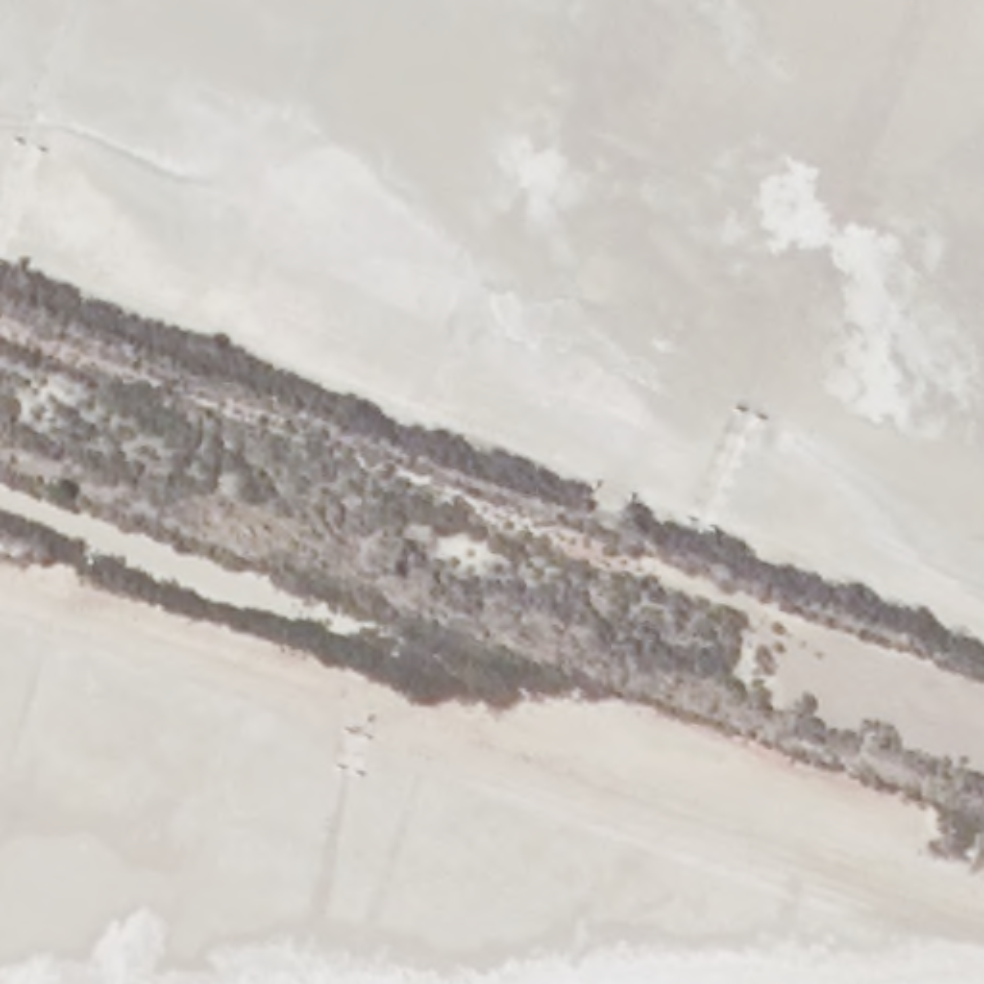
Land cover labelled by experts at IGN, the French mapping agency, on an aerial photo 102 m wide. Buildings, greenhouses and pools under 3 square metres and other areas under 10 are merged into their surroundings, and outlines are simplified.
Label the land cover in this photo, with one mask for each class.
<instances>
[{"label":"pervious surface","instance_id":"1","mask_svg":"<svg viewBox=\"0 0 984 984\"><path fill-rule=\"evenodd\" d=\"M0 261H31V269L81 288V296L108 300L142 319H158L200 334H227L234 346L250 350L261 361H273L277 369L300 373L331 392H350L377 404L396 423L454 431L480 450H507L530 457L534 465H546L557 477L592 484L596 504L607 527L627 511L630 504H646L657 519L696 530H726L742 538L761 561L796 565L834 584H865L888 603L926 607L942 627L984 642V0H0ZM0 511L46 523L58 534L81 538L88 554L123 557L131 569H142L154 580L192 588L204 600L258 607L284 619H315L334 634L373 630V619L342 615L319 600L281 592L261 573H231L208 557L177 554L165 542L123 530L104 519L65 511L50 500H35L27 492L0 484ZM438 500L465 504L473 515L488 527H500L504 534L550 538L554 550L588 561L600 573L657 577L665 588H677L684 596L719 607H738L750 619L738 657V677L746 680H753L761 646H784V657H776V669L765 684L773 707H796L803 696H815L819 719L826 726L853 730L857 723H865L884 719L896 726L903 746L984 773V684L938 669L926 657L861 642L853 634L807 623L800 615L742 592H723L707 577L680 573L669 561L661 557L607 554L596 538H584L569 527H546L530 515H519L515 507H496L454 484H446ZM454 557L465 573L477 577L488 573L492 580H523L527 588L550 584L557 569L546 557L511 561L504 554H492L484 542L457 534L442 538L434 554ZM938 838L934 811L873 792L857 780L796 765L753 742L723 738L703 726L665 719L638 703H592L573 692L550 700H519L507 711L457 700L427 707L411 703L388 684L369 680L365 673L334 669L292 646H277L219 623L185 619L131 596L104 592L81 580L69 565H0V984H527V961L565 957L569 965H580L592 953L611 949L619 942L650 946L661 953H773L780 942H796L803 946L807 965H838L834 984H984V873L953 857L930 853V842Z\"/></svg>","mask_w":984,"mask_h":984},{"label":"brushwood","instance_id":"2","mask_svg":"<svg viewBox=\"0 0 984 984\"><path fill-rule=\"evenodd\" d=\"M0 300H12L15 308H42L58 323H77L81 331L104 342L135 346V369H142L154 357H169L177 369H188L211 384H234L250 400L277 396L284 407L334 419L350 434L384 438L407 450L411 465L423 454L446 469L473 473L480 480L515 488L523 496H538L546 504L588 511L596 504L592 484L557 477L546 465H534L530 457L507 450H480L454 431L396 423L377 404L350 392H331L300 373L277 369L273 361H261L250 350L234 346L227 334H200L158 319H142L108 300L81 296V288L31 269V261H0ZM0 354L38 373L81 384L88 407H115L119 415L138 419L146 434L165 438L173 469L165 484L181 488L185 496H211L223 473L238 477V492L246 504H265L277 492V484L246 461L242 450H223V434H211V461L204 469V480H192L188 465L196 461L200 427L188 423V415L177 407H161L150 384H127L85 365L58 361L42 350H31L0 334ZM19 392H27V384L12 373H0V438L46 461H81L96 473L100 484L138 488L142 465L127 461L123 454H96V423H85L73 404L62 400L54 404V411L65 427H27L19 419ZM634 519V530L646 534L661 557L669 561L692 554L707 565H723L730 577L746 584L742 592L800 615L803 603L838 607L861 623H880L911 634L926 650V657L938 669L984 684V642L942 627L926 607L888 603L865 584H834L796 565L761 561L742 538L726 530H696L657 519L646 504H630L627 511ZM123 530L165 542L177 554L208 557L231 573H261L281 592L319 600L342 615L373 619V630L334 634L315 619H284L258 607L204 600L192 588L154 580L142 569H131L123 557L88 554L81 538L58 534L46 523L0 511V538L38 546L50 565H69L81 580L104 592L131 596L185 619L219 623L277 646H292L334 669L365 673L369 680L388 684L411 703L427 707L457 700L507 711L519 700H550L573 692L584 673L561 669L554 661L519 657L504 646H473L465 634L450 627L423 623L411 611L392 607L377 588H342L334 577L319 569H300L284 554L242 557L227 546L188 538L146 515H131ZM457 534L484 542L492 554H504L511 561L546 557L557 569L550 584L527 588L523 580H492L488 573L477 577L465 573L454 557L434 554L407 538L400 546V561H407V573L431 577V596L446 600L457 611H484V596H511L527 611H550L561 623L592 627L607 657H634L642 673L711 677L734 696V703L746 700V680L738 677V657L750 619L738 607H719L684 596L677 588H665L657 577L600 573L588 561L554 550L550 538L504 534L500 527H488L473 515ZM865 723L873 726L880 753L907 765L911 773L907 780H892L876 769H861L857 780L873 792L934 811L938 838L930 842V853L953 857L984 873V773L903 746L896 726L884 719Z\"/></svg>","mask_w":984,"mask_h":984},{"label":"herbaceous vegetation","instance_id":"3","mask_svg":"<svg viewBox=\"0 0 984 984\"><path fill-rule=\"evenodd\" d=\"M0 334L31 350H42L58 361L85 365L127 384H150L161 407H177L188 415V423L200 427L196 461L188 465L192 480H204V469L211 461V434H223V450H242L246 461L277 484V492L265 504H246L238 492V477L223 473L211 496H185L181 488L165 484L173 469L165 438L146 434L138 419L119 415L115 407H88L81 384L38 373L0 354V373H12L27 384V392H19V419L27 427H65L54 411V404L62 400L73 404L85 423H96V454H123L127 461L142 465L138 488L100 484L96 473L81 461H46L0 438V484L27 492L35 500H50L65 511L104 519L123 530L131 515H146L188 538L227 546L242 557L284 554L300 569H319L334 577L342 588H377L392 607L411 611L423 623L450 627L465 634L473 646H504L519 657L554 661L561 669L584 673L573 692L592 703H638L665 719L703 726L723 738L753 742L796 765L857 780L861 769H876L892 780H907L911 773L907 765L880 753L873 726L865 723H857L853 730L826 726L819 719L815 696H803L796 707H773L765 684L776 669V657H784V646H761L753 680H746V700L734 703V696L711 677L642 673L634 657H607L592 627L561 623L550 611H527L511 596H484V611H457L446 600L431 596V577L407 573V561H400V546L407 538L434 554L442 538L457 534L473 515L465 504L438 500L446 484H454L496 507H515L519 515H530L546 527H569L584 538H596L607 554L661 557L646 534L634 530V519L627 511L607 527L596 504L588 511L546 504L538 496H523L515 488L480 480L473 473L446 469L423 454L411 465L407 450L384 438L350 434L334 419L284 407L277 396L250 400L234 384H211L188 369H177L169 357H154L142 369H135V346L104 342L81 331L77 323H58L42 308H15L12 300H0ZM0 565H50L38 546L0 538ZM680 573L707 577L723 592H742L746 584L730 577L723 565H707L692 554L669 561ZM807 623L853 634L861 642L926 657V650L911 634L880 623H861L838 607L803 603L800 615Z\"/></svg>","mask_w":984,"mask_h":984},{"label":"water","instance_id":"4","mask_svg":"<svg viewBox=\"0 0 984 984\"><path fill-rule=\"evenodd\" d=\"M527 984H834L838 965H807L803 946L796 942H780L773 953H661L650 946L619 942L611 949L592 953L580 965H569L565 957L527 961Z\"/></svg>","mask_w":984,"mask_h":984}]
</instances>
